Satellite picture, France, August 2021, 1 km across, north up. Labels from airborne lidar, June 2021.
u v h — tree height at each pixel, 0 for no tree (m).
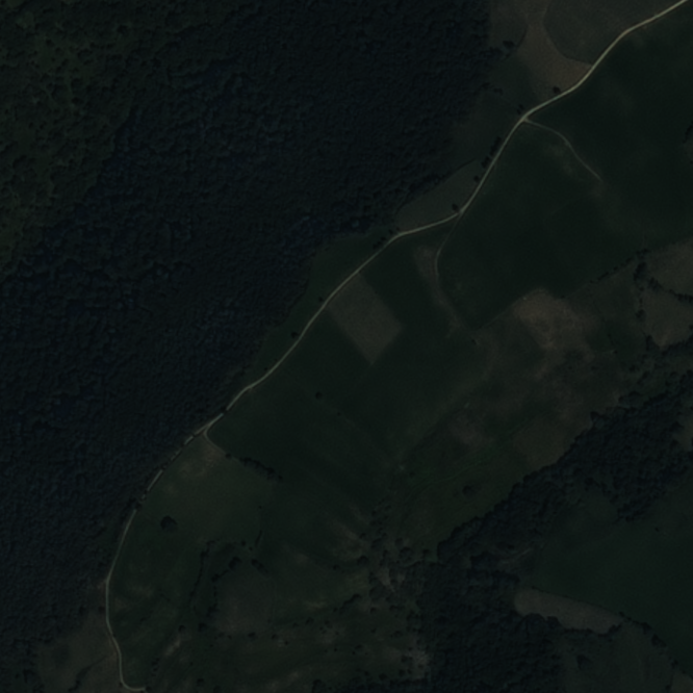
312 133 22
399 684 9
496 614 17
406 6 32
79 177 29
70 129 11
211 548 15
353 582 0
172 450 14
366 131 26
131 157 32
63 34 18
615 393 0
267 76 30
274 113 20
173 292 24
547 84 0
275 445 0
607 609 0
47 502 17
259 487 0
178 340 16
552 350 0
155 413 14
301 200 16
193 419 14
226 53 16
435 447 0
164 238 31
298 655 0
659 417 22
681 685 0
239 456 0
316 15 35
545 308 0
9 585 21
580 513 0
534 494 18
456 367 0
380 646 0
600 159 0
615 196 0
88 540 17
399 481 0
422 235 0
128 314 32
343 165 17
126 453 16
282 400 0
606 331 0
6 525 20
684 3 0
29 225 18
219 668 0
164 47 23
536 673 17
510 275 0
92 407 24
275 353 0
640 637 0
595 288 0
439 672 15
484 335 0
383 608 0
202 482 0
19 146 15
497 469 0
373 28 32
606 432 17
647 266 14
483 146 0
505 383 0
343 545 0
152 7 15
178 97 16
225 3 23
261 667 0
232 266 21
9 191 14
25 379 27
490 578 16
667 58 0
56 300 37
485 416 0
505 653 22
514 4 0
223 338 14
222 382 17
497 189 0
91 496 17
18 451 25
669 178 0
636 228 0
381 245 9
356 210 17
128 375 24
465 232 0
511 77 0
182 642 0
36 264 35
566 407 0
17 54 13
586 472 15
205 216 21
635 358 0
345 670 0
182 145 27
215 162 18
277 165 15
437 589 21
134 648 0
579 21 0
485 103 0
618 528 0
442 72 18
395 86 25
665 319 0
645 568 0
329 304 0
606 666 0
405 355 0
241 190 21
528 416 0
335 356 0
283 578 0
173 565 0
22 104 16
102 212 37
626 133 0
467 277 0
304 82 25
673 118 0
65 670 0
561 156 0
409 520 0
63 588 16
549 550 0
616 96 0
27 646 8
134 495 9
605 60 0
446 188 0
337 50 31
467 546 25
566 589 0
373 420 0
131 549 0
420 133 20
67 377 26
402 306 0
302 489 0
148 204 34
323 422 0
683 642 0
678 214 0
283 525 0
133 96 25
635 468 13
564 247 0
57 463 20
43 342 34
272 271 17
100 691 0
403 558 12
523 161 0
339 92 21
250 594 0
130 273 30
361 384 0
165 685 0
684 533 0
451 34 21
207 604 0
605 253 0
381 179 18
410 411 0
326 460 0
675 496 0
